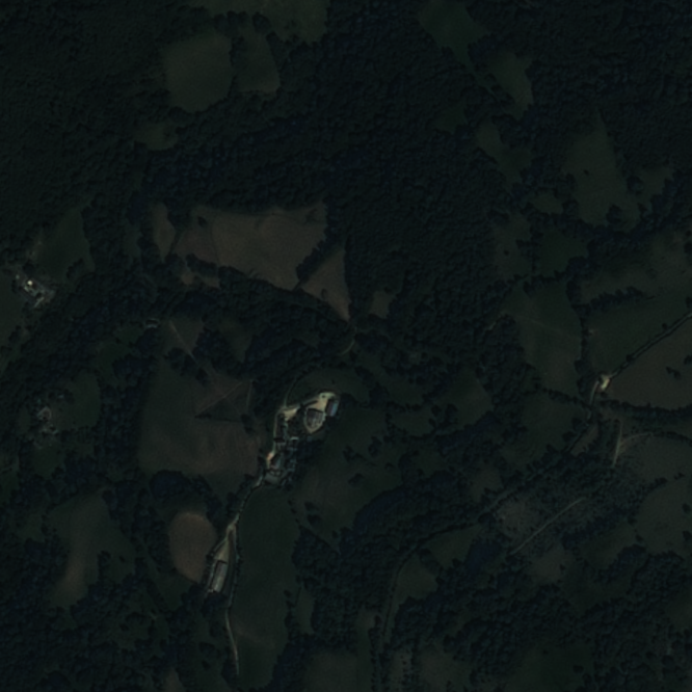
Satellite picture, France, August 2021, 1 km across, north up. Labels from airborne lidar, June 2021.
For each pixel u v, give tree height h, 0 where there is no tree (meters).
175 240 0
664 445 0
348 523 0
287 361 25
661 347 0
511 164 0
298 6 0
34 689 17
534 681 0
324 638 16
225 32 15
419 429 0
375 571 20
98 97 24
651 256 0
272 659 0
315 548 18
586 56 24
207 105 0
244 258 0
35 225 22
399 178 37
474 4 29
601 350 0
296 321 25
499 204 17
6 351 14
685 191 22
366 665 0
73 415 0
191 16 9
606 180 0
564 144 17
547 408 0
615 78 28
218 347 24
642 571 10
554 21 26
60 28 26
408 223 23
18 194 22
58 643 32
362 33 23
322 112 34
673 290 0
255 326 21
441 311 15
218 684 0
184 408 0
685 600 0
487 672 11
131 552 0
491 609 17
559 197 18
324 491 0
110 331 10
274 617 0
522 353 13
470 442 17
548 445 0
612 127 21
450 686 6
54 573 22
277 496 0
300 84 27
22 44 25
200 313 21
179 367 15
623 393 0
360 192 28
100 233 30
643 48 35
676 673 11
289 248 0
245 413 0
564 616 16
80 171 10
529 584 14
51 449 0
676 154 23
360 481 8
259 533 0
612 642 17
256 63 0
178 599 0
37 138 23
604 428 14
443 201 20
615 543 0
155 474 0
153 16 15
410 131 23
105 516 0
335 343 22
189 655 20
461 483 13
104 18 22
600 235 16
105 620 18
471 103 16
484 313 15
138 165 19
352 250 22
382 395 19
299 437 7
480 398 0
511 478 6
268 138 41
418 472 11
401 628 15
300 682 18
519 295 0
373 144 22
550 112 18
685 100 29
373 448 6
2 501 0
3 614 25
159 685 14
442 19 0
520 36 26
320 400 0
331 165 23
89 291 22
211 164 35
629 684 16
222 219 0
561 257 0
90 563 0
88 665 31
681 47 33
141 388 21
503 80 0
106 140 18
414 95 30
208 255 0
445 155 15
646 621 13
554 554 0
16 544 15
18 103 19
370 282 21
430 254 26
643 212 15
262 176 18
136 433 21
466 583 16
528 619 23
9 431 14
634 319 0
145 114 16
